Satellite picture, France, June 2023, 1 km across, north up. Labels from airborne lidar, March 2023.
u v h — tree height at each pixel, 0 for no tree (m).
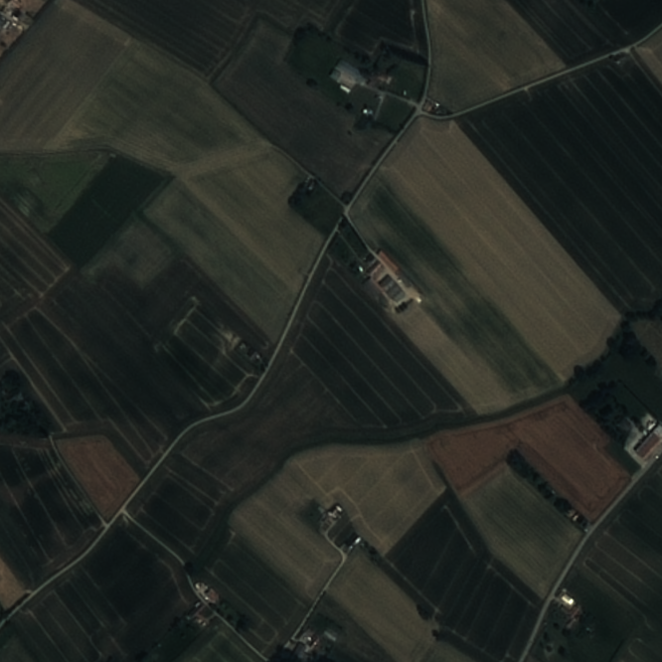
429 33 0
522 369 0
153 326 0
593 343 0
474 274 0
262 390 0
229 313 0
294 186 0
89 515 0
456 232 0
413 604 0
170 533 0
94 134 0
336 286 0
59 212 0
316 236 0
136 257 0
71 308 0
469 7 0
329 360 0
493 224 0
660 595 0
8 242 0
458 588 0
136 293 0
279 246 0
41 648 0
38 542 0
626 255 0
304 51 0
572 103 0
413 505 0
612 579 0
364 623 0
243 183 0
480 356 0
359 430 0
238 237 0
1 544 0
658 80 0
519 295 0
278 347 0
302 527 0
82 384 0
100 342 0
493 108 0
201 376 0
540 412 0
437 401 0
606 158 0
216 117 0
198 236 0
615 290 0
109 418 0
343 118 0
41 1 0
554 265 0
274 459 0
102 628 0
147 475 0
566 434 0
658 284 0
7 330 0
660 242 0
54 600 0
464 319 0
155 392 0
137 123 0
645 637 0
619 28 0
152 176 0
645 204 0
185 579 0
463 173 0
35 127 0
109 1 0
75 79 0
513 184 0
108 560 0
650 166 0
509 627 0
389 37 0
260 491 0
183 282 0
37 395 0
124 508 0
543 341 0
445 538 0
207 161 0
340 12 0
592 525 0
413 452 0
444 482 0
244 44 0
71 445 0
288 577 0
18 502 0
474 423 0
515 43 0
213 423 0
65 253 0
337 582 0
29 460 0
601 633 0
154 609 0
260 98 0
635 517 0
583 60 0
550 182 0
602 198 0
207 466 0
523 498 0
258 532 0
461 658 0
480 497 0
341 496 0
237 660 0
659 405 0
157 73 0
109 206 0
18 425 17
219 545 0
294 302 0
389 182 0
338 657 0
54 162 0
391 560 0
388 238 0
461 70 0
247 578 0
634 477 0
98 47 0
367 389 0
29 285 0
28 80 0
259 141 0
